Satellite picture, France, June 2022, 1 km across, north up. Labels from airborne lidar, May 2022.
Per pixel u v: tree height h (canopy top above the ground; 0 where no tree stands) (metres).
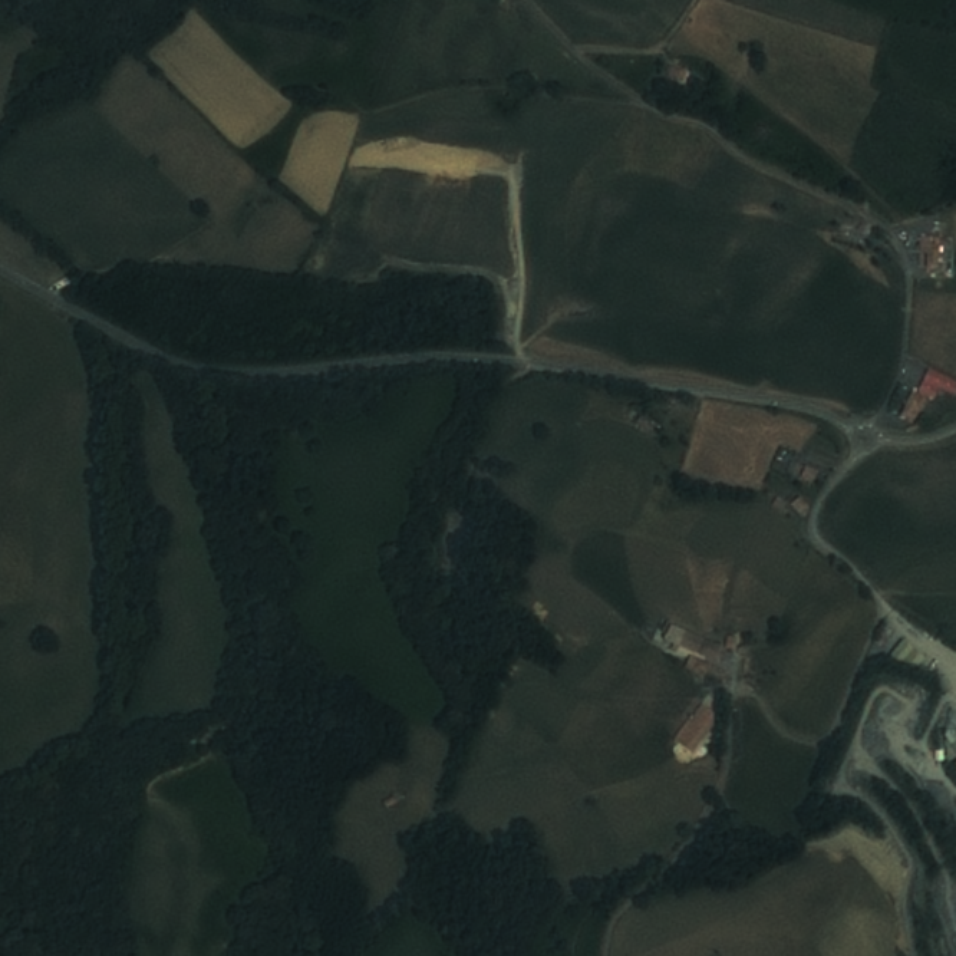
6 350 0
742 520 0
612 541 0
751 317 0
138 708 0
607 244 0
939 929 17
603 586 0
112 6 27
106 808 13
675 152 0
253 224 0
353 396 6
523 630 19
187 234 0
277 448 9
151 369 17
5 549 0
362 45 0
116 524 37
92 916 12
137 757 14
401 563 16
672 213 0
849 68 0
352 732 28
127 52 7
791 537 0
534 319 0
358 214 0
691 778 0
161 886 0
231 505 15
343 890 23
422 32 0
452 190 0
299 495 11
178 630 0
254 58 0
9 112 8
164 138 0
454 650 32
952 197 7
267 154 0
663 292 0
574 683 0
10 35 0
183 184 0
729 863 21
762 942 0
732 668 0
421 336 18
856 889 0
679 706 0
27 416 0
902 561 0
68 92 18
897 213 0
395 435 0
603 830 0
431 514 23
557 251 0
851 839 0
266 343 13
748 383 0
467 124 0
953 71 0
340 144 0
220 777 0
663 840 0
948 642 14
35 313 0
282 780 23
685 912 0
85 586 0
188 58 0
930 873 7
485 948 19
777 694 0
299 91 14
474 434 20
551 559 0
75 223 0
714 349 0
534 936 14
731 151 0
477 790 0
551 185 0
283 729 20
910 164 0
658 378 0
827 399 0
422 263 0
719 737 15
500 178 0
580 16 0
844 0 0
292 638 14
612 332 0
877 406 0
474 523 24
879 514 0
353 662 0
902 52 0
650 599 0
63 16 30
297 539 14
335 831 14
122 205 0
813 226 0
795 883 0
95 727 14
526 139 0
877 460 0
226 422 18
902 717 0
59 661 0
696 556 0
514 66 0
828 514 0
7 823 10
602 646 0
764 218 0
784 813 0
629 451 0
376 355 16
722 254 0
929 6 0
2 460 0
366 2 11
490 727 0
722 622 0
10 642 0
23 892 17
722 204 0
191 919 0
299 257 0
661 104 17
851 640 0
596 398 0
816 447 0
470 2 0
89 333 19
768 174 0
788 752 0
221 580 13
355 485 0
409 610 20
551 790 0
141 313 11
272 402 17
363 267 0
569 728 0
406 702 0
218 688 10
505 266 0
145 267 9
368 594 0
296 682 22
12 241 0
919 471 0
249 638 22
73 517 0
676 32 0
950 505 0
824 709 0
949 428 0
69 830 18
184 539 0
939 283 0
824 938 0
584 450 0
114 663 28
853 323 0
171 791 0
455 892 25
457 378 11
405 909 18
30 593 0
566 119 0
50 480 0
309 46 0
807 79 0
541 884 21
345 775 8
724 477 0
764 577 0
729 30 0
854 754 0
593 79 0
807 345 0
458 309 26
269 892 16
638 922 0
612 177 0
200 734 11
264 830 13
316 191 0
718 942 0
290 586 16
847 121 0
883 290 0
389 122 0
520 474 18
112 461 36
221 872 0
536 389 0
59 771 21
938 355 0
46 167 0
